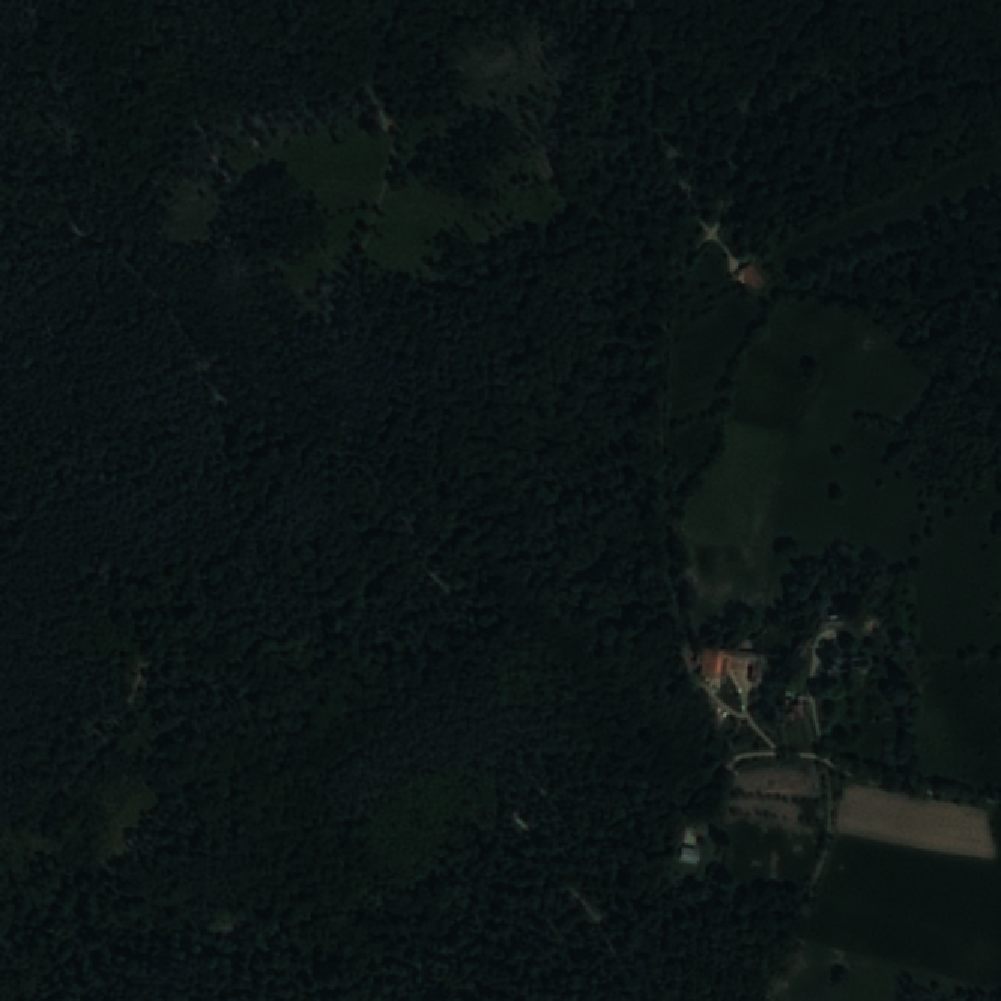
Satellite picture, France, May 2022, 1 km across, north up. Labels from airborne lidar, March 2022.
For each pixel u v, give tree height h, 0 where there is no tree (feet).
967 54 98
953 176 0
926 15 97
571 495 103
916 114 94
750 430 0
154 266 79
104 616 39
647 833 91
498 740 94
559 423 118
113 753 51
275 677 100
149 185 86
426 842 70
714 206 65
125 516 102
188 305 70
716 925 94
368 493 80
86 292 62
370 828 65
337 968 73
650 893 45
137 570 45
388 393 94
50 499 72
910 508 0
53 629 52
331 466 56
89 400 71
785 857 0
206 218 0
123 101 102
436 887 109
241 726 86
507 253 79
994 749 0
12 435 71
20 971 77
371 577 60
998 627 0
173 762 94
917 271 91
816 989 0
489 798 70
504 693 93
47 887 100
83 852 26
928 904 0
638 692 106
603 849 82
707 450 0
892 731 0
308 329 77
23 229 84
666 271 76
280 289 86
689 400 0
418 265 0
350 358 91
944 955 0
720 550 0
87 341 85
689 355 0
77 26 74
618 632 119
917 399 0
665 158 75
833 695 67
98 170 88
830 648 47
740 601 0
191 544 77
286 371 70
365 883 83
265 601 96
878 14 98
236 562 82
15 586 78
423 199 0
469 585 91
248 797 83
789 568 0
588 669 102
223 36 76
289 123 100
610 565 113
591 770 50
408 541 80
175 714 88
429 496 80
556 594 91
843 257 74
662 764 107
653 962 75
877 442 0
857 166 95
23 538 70
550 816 60
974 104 83
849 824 0
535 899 87
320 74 94
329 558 90
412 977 84
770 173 92
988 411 88
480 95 0
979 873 0
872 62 86
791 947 45
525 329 101
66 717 43
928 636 0
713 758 74
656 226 87
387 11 73
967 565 0
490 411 115
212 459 91
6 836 87
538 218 0
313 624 103
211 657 97
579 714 73
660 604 98
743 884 0
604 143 65
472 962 94
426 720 98
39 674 64
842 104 104
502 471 103
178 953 98
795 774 0
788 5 83
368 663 114
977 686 0
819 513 0
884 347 0
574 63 61
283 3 97
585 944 38
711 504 0
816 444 0
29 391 71
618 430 47
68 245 92
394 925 105
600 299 33
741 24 91
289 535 101
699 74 97
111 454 64
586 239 86
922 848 0
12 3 85
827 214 89
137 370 91
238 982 88
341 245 0
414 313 89
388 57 112
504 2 32
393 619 99
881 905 0
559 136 104
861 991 0
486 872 70
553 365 105
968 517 0
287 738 90
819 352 0
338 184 0
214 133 113
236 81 88
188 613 100
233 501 70
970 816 0
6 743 90
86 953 39
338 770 91
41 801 37
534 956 89
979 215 88
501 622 87
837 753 43
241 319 74
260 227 73
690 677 94
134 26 107
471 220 0
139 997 91
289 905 80
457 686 93
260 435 55
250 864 77
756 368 0
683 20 86
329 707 96
